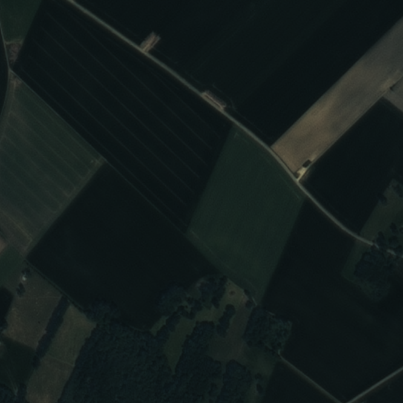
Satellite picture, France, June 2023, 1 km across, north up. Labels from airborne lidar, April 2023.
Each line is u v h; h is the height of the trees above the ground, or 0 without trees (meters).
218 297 14
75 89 0
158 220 0
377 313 0
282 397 0
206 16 0
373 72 0
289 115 0
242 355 0
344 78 0
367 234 0
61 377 0
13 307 0
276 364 0
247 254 0
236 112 0
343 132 0
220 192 0
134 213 0
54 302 0
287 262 0
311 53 0
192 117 0
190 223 0
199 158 0
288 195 0
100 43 0
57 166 0
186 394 19
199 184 0
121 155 0
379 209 0
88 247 0
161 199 0
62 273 0
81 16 0
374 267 16
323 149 0
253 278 0
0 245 0
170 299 24
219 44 0
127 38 0
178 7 0
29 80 0
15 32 0
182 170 0
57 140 0
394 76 0
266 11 0
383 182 0
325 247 0
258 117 0
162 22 0
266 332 7
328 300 0
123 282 0
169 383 27
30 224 0
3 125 0
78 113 0
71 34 0
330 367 0
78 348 0
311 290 0
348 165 0
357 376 0
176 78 0
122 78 0
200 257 0
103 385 28
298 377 0
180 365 14
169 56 0
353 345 0
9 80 0
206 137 0
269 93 0
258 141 0
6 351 0
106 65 0
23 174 0
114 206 0
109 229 0
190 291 0
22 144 0
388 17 0
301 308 0
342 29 0
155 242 0
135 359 15
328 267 0
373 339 0
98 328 13
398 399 0
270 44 0
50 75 0
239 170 0
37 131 0
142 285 0
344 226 0
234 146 0
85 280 0
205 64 0
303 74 0
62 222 0
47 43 0
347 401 0
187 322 0
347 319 0
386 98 0
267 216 0
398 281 0
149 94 0
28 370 0
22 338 0
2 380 0
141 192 0
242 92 0
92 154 0
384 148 0
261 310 16
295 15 0
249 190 0
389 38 0
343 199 0
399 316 0
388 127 0
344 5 0
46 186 0
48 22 0
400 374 0
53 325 22
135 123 0
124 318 0
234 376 24
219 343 0
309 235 0
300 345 0
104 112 0
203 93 0
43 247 0
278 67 0
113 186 0
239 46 0
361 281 23
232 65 0
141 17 0
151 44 0
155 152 0
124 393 27
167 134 0
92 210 0
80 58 0
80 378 21
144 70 0
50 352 0
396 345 0
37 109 0
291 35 0
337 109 0
